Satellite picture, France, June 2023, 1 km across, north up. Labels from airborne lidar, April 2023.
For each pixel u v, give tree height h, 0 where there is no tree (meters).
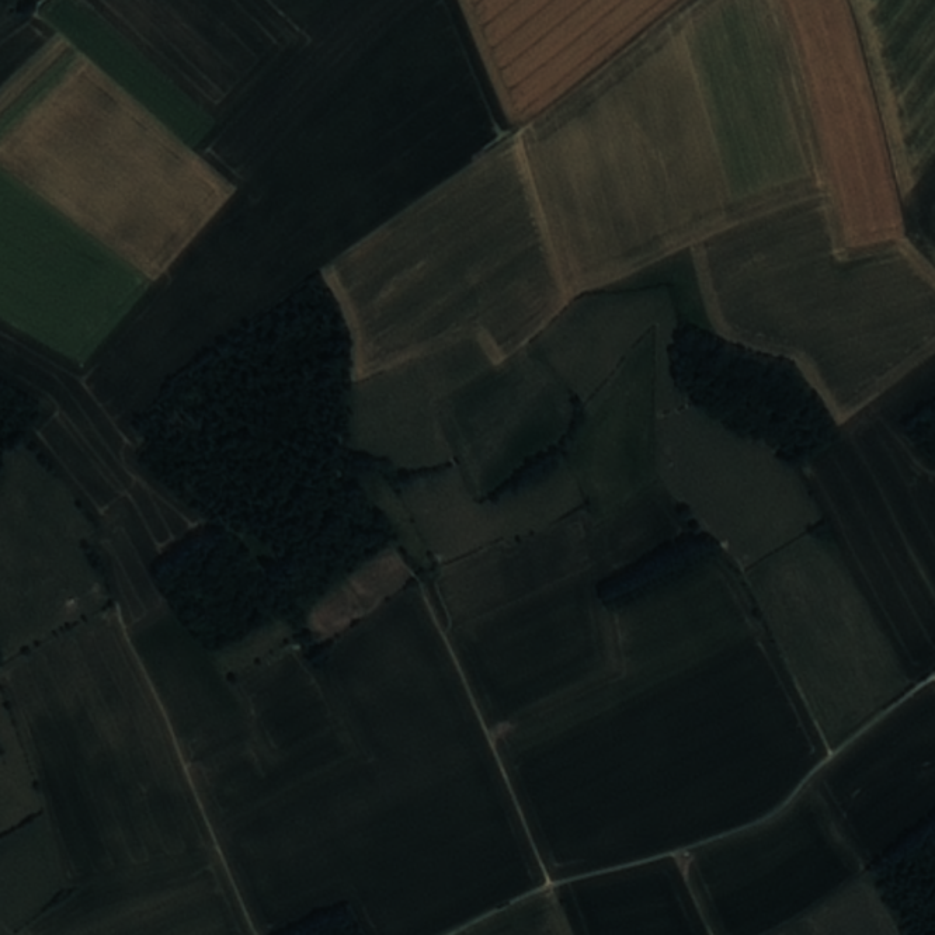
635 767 0
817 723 0
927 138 0
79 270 0
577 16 0
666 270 0
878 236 0
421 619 0
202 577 27
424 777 0
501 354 0
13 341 0
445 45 0
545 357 0
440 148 0
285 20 0
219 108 0
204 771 0
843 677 0
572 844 0
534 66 0
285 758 0
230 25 0
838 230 0
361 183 0
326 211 0
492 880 0
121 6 0
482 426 0
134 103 0
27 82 0
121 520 0
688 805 0
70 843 0
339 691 0
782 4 0
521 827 0
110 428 0
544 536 0
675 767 0
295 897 0
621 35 0
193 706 0
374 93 0
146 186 0
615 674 0
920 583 0
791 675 0
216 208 0
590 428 0
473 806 0
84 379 0
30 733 0
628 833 0
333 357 20
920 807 0
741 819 0
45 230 0
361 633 0
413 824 0
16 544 0
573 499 0
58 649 0
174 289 0
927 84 0
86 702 0
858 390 0
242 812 0
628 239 0
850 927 0
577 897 0
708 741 0
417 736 0
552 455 10
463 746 0
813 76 0
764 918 0
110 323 0
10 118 0
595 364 0
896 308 0
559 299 0
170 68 0
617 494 0
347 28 0
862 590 0
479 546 0
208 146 0
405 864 0
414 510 0
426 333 0
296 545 26
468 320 0
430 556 7
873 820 0
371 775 0
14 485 0
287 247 0
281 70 0
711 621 0
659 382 0
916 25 0
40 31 0
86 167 0
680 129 0
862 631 0
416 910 0
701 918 0
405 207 0
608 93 0
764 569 0
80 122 0
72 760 0
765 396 18
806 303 0
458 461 8
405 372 0
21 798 0
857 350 0
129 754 0
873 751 0
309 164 0
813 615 0
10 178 0
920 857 16
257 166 0
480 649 0
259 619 23
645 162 0
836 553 0
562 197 0
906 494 0
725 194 0
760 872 0
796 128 0
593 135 0
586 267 0
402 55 0
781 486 0
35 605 0
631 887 0
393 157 0
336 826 0
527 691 0
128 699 0
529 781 0
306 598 24
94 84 0
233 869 0
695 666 0
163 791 0
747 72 0
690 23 0
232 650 0
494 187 0
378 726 0
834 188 0
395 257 0
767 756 0
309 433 19
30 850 0
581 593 0
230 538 20
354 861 0
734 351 11
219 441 20
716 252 0
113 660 0
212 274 0
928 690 0
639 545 0
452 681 0
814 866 0
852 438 0
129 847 0
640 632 0
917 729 0
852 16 0
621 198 0
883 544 0
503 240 0
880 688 0
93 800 0
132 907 0
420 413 0
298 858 0
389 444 0
